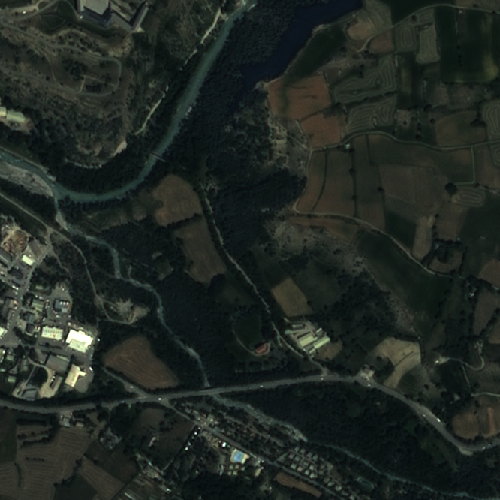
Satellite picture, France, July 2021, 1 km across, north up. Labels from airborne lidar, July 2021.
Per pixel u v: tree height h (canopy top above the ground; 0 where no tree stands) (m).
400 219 0
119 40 0
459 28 0
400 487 13
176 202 0
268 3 10
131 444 15
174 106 17
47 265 7
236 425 8
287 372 16
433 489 9
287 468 7
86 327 0
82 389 0
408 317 0
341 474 13
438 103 0
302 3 13
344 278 11
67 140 6
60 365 0
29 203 18
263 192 12
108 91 0
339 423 16
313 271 0
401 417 13
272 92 0
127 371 0
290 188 11
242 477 6
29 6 0
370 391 9
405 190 0
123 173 18
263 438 8
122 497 0
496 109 0
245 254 14
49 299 0
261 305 16
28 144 15
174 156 25
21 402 10
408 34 0
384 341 0
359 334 0
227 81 14
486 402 0
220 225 9
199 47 15
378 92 0
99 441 6
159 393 11
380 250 0
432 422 0
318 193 0
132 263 6
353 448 18
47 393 0
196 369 17
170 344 8
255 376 15
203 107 16
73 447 0
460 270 8
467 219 0
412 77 0
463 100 0
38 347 0
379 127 0
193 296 14
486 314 0
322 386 12
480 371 0
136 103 7
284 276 0
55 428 10
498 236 0
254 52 7
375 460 20
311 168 0
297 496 9
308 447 18
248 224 12
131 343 0
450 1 0
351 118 0
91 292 9
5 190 12
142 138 13
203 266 0
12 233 0
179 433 0
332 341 6
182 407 11
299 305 0
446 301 9
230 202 10
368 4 0
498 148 0
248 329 0
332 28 0
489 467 20
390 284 0
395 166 0
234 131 7
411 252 0
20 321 0
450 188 14
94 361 6
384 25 0
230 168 11
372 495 10
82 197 0
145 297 15
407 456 19
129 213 0
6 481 0
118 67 0
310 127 0
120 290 8
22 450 0
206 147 12
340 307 17
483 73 0
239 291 0
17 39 0
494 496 18
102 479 0
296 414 15
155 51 10
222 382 15
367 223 0
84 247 14
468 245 0
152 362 0
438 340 0
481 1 0
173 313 10
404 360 0
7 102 16
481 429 0
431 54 0
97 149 0
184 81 20
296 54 54
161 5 0
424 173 0
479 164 0
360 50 0
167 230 12
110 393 17
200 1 0
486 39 0
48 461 0
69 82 0
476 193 0
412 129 0
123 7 0
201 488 17
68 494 0
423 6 0
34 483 0
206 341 14
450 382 0
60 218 0
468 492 12
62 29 0
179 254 8
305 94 0
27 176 0
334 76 0
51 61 0
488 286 15
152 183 11
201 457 7
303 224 0
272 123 0
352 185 0
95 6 0
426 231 0
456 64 0
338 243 0
